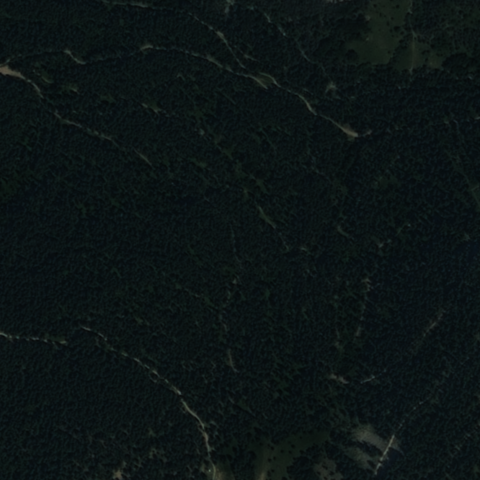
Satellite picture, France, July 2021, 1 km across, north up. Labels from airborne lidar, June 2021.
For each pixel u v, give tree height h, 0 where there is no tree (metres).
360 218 31
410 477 14
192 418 28
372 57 0
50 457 21
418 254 10
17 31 27
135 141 29
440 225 34
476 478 28
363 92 24
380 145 20
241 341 32
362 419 9
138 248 24
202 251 26
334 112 26
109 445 26
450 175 31
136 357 21
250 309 23
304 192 31
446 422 29
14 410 23
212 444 25
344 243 34
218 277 24
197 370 22
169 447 22
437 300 23
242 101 28
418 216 30
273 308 32
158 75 20
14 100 21
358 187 30
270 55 20
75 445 24
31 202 27
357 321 24
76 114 8
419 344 13
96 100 29
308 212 24
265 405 28
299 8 14
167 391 27
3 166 27
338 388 25
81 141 23
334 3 15
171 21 24
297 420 26
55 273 23
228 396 25
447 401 23
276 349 31
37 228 28
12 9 26
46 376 25
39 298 25
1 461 24
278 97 27
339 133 15
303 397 32
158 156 30
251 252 25
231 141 28
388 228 31
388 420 23
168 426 30
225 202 29
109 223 27
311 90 23
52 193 32
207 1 19
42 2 28
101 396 18
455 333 25
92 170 30
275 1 14
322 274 25
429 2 13
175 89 28
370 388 13
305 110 24
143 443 22
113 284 23
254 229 27
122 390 20
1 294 25
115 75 25
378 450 18
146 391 26
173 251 28
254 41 26
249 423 30
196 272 24
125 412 21
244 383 33
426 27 13
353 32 16
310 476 24
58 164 31
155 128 27
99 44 7
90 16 22
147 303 24
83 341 30
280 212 31
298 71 15
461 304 20
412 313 19
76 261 25
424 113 8
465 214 7
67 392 25
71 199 28
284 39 26
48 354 29
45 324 23
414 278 29
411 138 28
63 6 29
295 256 33
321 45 19
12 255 27
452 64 17
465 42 14
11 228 22
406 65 0
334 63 15
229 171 31
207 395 23
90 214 20
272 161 29
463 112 26
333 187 31
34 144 29
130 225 22
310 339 19
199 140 26
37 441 29
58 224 22
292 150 25
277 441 30
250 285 27
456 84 13
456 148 13
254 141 29
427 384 28
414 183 31
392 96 19
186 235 30
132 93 28
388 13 0
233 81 29
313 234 26
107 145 21
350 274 31
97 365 24
